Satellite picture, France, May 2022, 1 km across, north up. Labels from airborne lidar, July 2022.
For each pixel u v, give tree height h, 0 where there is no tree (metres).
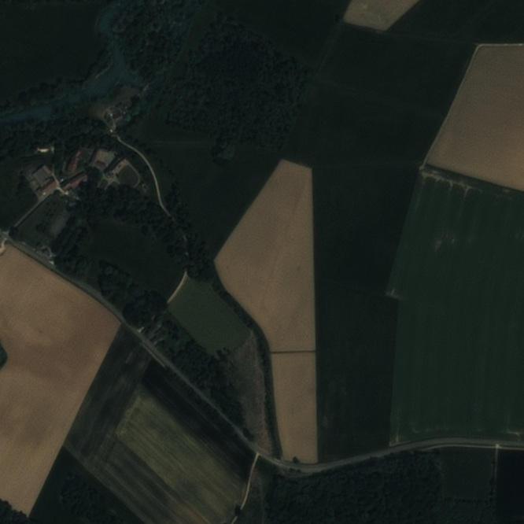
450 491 0
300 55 0
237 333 0
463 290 0
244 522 0
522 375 0
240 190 0
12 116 0
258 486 0
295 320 0
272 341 0
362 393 0
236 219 0
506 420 0
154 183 0
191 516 0
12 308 0
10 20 0
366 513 24
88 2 9
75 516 17
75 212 27
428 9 0
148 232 24
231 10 0
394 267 0
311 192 0
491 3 0
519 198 0
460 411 0
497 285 0
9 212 0
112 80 0
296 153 0
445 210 0
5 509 18
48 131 20
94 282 0
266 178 0
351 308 0
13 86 0
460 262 0
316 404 0
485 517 15
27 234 0
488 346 0
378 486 27
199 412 0
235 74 27
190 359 17
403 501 22
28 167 0
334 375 0
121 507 0
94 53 0
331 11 0
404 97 0
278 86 8
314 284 0
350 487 27
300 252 0
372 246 0
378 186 0
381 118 0
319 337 0
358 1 0
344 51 0
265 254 0
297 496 22
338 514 25
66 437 0
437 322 0
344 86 0
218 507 0
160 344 9
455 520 18
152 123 0
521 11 0
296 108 6
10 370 0
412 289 0
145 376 0
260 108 20
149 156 17
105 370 0
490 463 0
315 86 0
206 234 0
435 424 0
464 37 0
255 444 0
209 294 0
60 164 14
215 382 14
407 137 0
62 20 0
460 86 0
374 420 0
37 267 0
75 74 0
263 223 0
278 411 0
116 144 16
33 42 0
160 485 0
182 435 0
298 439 0
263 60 21
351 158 0
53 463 0
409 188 0
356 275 0
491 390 0
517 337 0
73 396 0
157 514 0
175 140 0
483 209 0
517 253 0
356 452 0
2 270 0
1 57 0
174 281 0
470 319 0
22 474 0
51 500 0
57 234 0
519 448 0
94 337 0
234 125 9
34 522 18
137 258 0
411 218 0
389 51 0
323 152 0
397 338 0
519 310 0
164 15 21
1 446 0
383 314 0
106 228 0
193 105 18
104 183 0
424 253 0
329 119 0
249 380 0
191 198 0
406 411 0
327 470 0
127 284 30
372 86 0
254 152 0
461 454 0
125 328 0
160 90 13
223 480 0
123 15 18
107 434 0
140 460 0
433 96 0
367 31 0
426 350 0
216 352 0
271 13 0
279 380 0
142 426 0
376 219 0
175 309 0
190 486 0
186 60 0
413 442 0
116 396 0
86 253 0
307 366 0
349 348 0
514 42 0
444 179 0
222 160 22
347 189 0
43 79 0
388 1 0
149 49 27
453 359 0
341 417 0
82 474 0
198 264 29
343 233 0
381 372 0
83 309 0
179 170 0
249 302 0
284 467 0
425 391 0
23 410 0
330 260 0
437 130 0
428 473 19
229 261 0
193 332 0
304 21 0
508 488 0
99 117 0
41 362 0
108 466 0
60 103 0
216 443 0
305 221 0
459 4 0
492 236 0
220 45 22
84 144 24
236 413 26
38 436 0
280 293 0
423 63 0
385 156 0
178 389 0
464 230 0
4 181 0
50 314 0
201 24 0
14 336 0
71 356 0
